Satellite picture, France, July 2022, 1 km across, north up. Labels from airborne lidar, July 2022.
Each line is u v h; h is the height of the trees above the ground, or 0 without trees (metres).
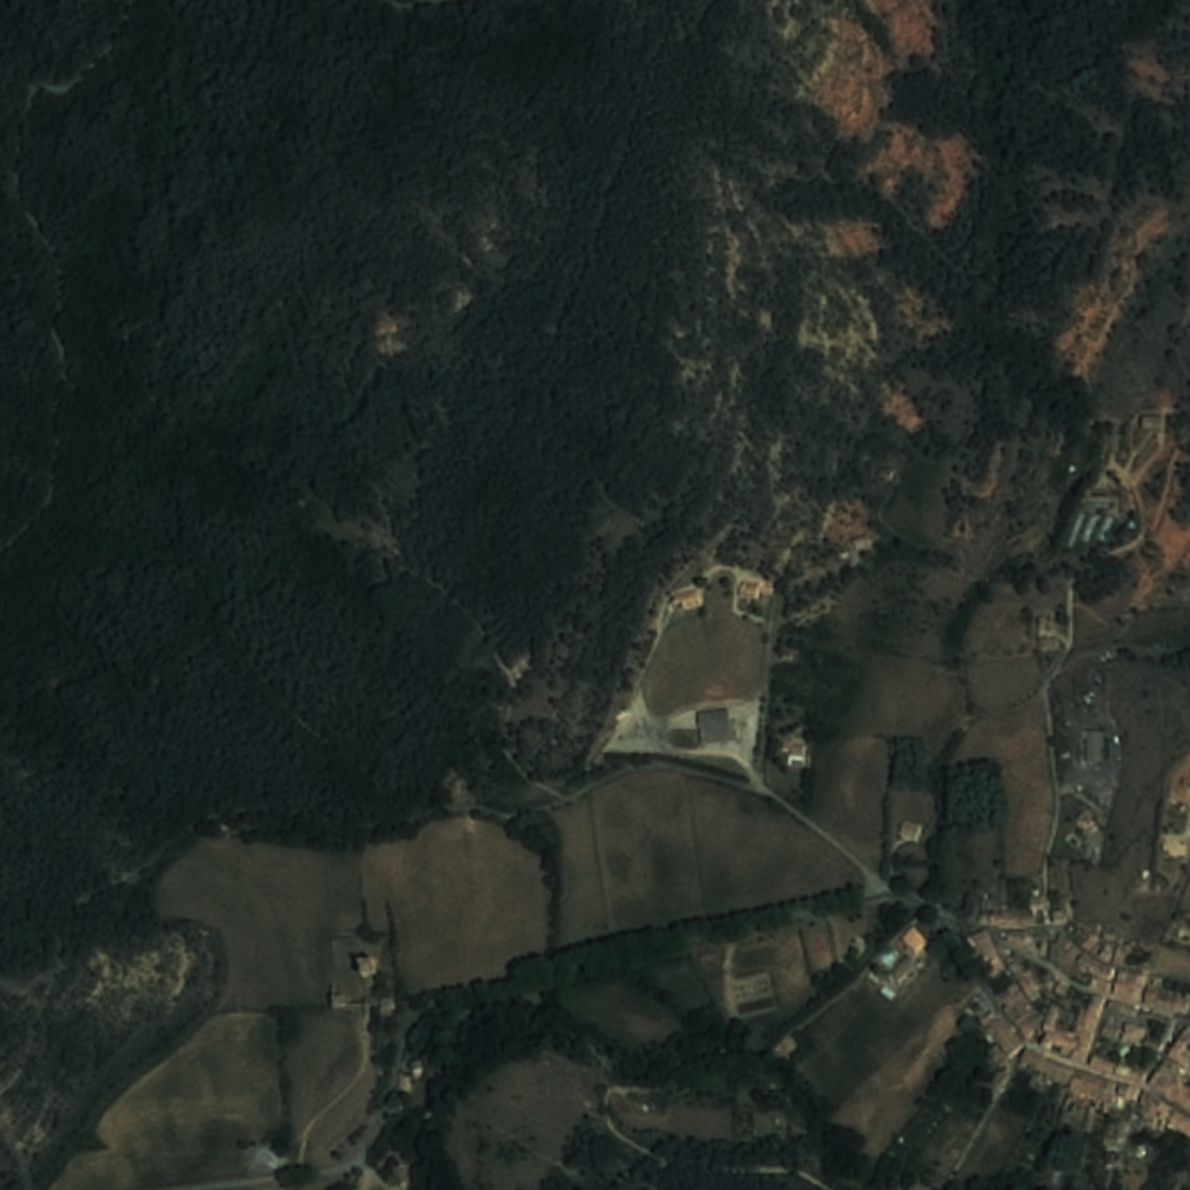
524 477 17
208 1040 0
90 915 16
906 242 16
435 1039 15
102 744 18
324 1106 0
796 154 10
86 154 22
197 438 18
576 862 0
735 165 15
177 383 15
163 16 12
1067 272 14
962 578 0
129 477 18
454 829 0
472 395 18
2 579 12
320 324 16
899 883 17
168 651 18
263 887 0
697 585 13
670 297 13
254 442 17
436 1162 19
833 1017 0
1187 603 0
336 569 17
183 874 0
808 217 16
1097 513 6
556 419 25
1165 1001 0
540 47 14
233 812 12
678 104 17
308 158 21
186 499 25
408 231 12
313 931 0
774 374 14
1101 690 0
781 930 21
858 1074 0
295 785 16
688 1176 18
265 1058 0
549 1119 0
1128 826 0
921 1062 0
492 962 0
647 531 11
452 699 20
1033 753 0
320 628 21
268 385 16
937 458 9
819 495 7
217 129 20
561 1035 15
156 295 15
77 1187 0
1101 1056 7
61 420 17
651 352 14
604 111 16
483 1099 0
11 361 9
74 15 9
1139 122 13
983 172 17
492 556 13
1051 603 0
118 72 9
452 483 17
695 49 18
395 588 23
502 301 11
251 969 0
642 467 12
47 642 9
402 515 13
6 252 18
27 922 14
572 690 7
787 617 10
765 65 11
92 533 15
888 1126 0
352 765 14
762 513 7
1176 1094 0
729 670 0
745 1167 6
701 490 11
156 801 21
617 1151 13
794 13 10
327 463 18
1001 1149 0
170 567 22
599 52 15
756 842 0
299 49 10
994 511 0
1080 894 0
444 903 0
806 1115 6
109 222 20
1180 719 0
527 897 0
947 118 14
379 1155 10
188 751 13
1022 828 0
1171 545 0
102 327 21
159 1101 0
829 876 0
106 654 23
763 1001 0
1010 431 12
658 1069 15
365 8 7
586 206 15
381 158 16
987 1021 0
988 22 21
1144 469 0
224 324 11
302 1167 14
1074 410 8
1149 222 0
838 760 0
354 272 15
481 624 13
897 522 0
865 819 0
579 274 19
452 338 10
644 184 15
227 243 15
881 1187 15
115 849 10
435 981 0
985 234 18
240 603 22
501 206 9
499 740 9
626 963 26
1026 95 16
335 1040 0
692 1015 10
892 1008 0
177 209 21
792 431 11
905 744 15
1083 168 17
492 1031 32
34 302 16
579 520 16
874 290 11
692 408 8
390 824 11
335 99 14
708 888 0
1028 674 0
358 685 17
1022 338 14
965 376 12
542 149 14
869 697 0
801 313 7
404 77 9
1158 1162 7
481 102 13
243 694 17
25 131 16
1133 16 11
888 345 13
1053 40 18
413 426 12
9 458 17
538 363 20
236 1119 0
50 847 15
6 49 16
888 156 0
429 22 12
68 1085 10
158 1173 0
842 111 0
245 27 9
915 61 16
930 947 8
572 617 10
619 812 0
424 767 16
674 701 0
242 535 24
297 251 13
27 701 13
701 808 0
